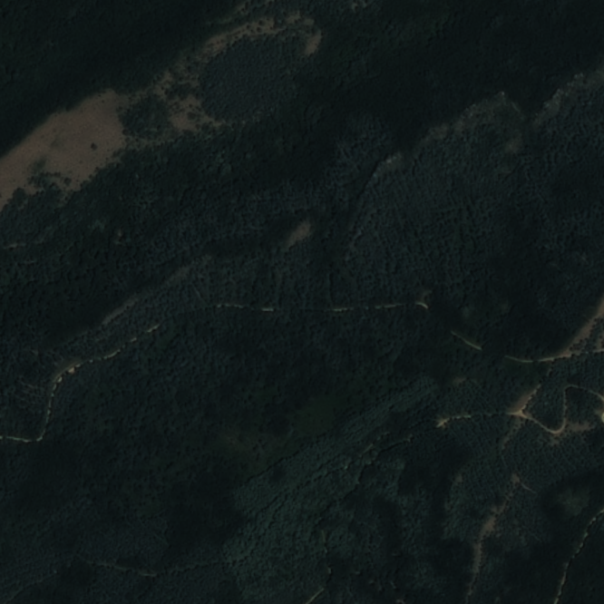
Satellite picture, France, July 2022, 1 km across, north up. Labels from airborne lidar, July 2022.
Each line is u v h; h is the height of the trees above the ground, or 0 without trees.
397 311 9
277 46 11
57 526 12
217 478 9
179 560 14
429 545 14
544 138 12
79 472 11
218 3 17
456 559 15
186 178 15
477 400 12
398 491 17
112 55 20
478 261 25
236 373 12
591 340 8
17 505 18
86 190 12
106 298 19
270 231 21
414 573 16
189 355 12
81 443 10
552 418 12
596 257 16
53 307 25
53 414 10
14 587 12
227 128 9
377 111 17
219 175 21
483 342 10
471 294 19
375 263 14
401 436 19
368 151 21
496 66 14
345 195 24
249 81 16
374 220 7
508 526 9
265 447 12
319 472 17
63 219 17
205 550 17
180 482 7
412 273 21
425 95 12
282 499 17
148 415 14
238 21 9
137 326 14
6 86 11
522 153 8
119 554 13
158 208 23
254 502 17
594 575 17
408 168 8
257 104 13
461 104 13
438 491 15
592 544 17
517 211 21
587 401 18
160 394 12
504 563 10
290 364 11
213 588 14
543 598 13
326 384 13
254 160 22
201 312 15
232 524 15
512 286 20
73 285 30
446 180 13
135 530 13
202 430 9
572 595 13
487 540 9
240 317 15
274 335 12
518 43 15
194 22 15
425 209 17
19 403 15
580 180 21
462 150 11
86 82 16
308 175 21
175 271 9
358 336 10
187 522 17
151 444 15
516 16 19
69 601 17
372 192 11
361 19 7
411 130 13
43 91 19
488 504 15
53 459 20
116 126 0
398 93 14
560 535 17
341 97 15
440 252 15
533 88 10
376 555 13
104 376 11
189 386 12
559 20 21
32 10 19
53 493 13
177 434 8
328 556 15
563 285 17
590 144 19
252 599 14
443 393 9
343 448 18
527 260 20
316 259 19
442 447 15
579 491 10
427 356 17
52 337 22
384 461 23
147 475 9
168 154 15
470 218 15
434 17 19
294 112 20
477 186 15
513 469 11
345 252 10
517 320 18
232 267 10
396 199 14
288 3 12
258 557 18
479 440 15
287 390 10
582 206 21
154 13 20
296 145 22
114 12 24
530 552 13
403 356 16
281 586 10
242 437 9
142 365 18
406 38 10
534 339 13
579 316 16
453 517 10
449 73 14
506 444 9
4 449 12
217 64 14
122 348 9
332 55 18
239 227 22
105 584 11
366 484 24
